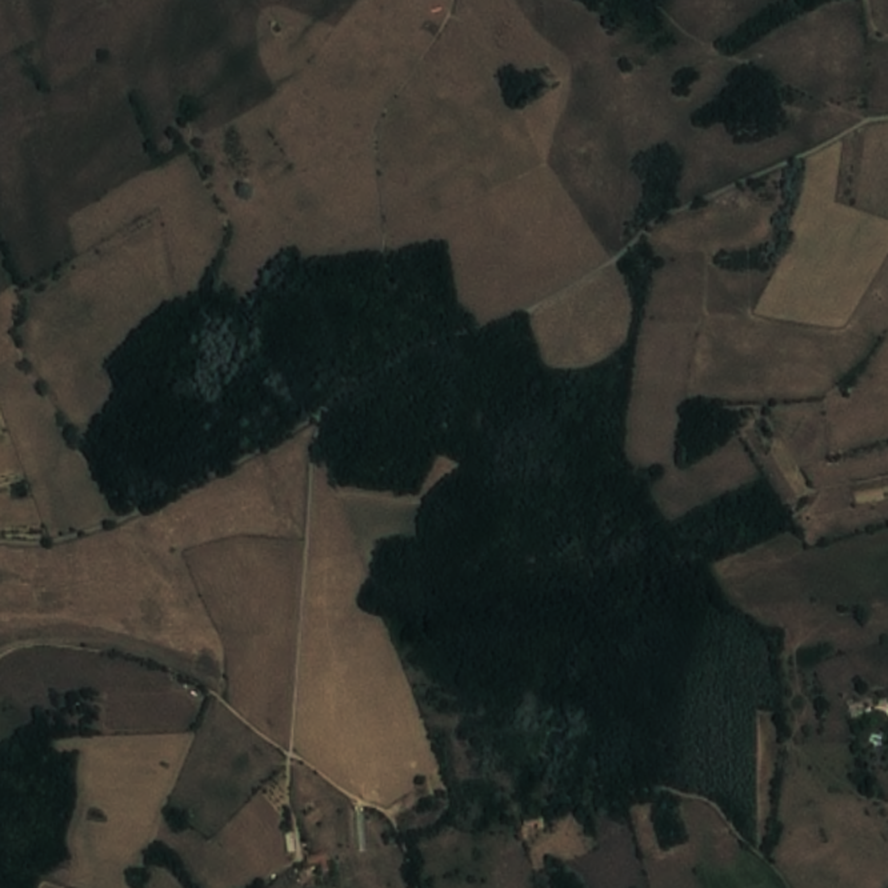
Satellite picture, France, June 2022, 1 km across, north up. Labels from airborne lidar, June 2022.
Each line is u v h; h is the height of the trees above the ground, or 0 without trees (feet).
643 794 31
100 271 0
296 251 23
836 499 0
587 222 0
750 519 40
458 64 0
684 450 19
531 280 0
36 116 0
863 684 33
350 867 0
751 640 22
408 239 0
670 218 30
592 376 34
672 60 0
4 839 29
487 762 22
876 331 0
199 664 0
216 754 0
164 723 0
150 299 0
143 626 0
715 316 0
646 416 0
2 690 0
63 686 0
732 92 31
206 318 59
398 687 0
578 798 29
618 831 0
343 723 0
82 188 0
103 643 0
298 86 0
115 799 0
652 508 46
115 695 0
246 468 0
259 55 0
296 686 0
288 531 0
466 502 48
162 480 36
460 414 42
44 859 23
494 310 0
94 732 33
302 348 23
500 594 36
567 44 0
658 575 30
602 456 35
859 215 0
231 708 0
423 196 0
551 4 0
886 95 0
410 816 0
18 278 24
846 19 0
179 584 0
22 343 25
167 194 0
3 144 0
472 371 33
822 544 30
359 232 0
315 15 0
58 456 0
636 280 22
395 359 44
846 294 0
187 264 0
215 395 65
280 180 0
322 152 0
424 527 38
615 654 26
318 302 26
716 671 24
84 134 0
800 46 0
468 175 0
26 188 0
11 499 0
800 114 0
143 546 0
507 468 60
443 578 34
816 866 0
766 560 0
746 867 0
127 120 0
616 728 31
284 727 0
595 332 0
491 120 0
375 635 0
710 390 0
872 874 0
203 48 0
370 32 0
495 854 0
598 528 35
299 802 0
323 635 0
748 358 0
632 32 0
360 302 30
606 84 0
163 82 0
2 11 0
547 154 0
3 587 0
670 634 42
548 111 0
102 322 0
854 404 0
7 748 39
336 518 0
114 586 0
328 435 39
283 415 48
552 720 35
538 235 0
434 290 31
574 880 20
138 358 53
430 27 0
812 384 0
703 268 0
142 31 0
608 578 31
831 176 0
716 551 30
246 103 0
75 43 0
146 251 0
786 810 0
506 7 0
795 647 0
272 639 0
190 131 0
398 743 0
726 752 25
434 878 24
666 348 0
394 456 36
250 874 0
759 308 0
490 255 0
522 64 0
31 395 0
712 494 0
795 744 0
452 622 56
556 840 0
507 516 49
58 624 0
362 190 0
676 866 0
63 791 35
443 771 18
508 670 36
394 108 0
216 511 0
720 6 0
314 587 0
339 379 33
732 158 0
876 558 0
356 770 0
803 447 0
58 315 0
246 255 0
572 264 0
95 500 0
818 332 0
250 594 0
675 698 33
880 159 0
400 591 29
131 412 70
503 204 0
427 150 0
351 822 0
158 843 31
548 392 53
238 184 21
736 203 0
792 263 0
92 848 0
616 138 0
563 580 40
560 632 33
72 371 0
